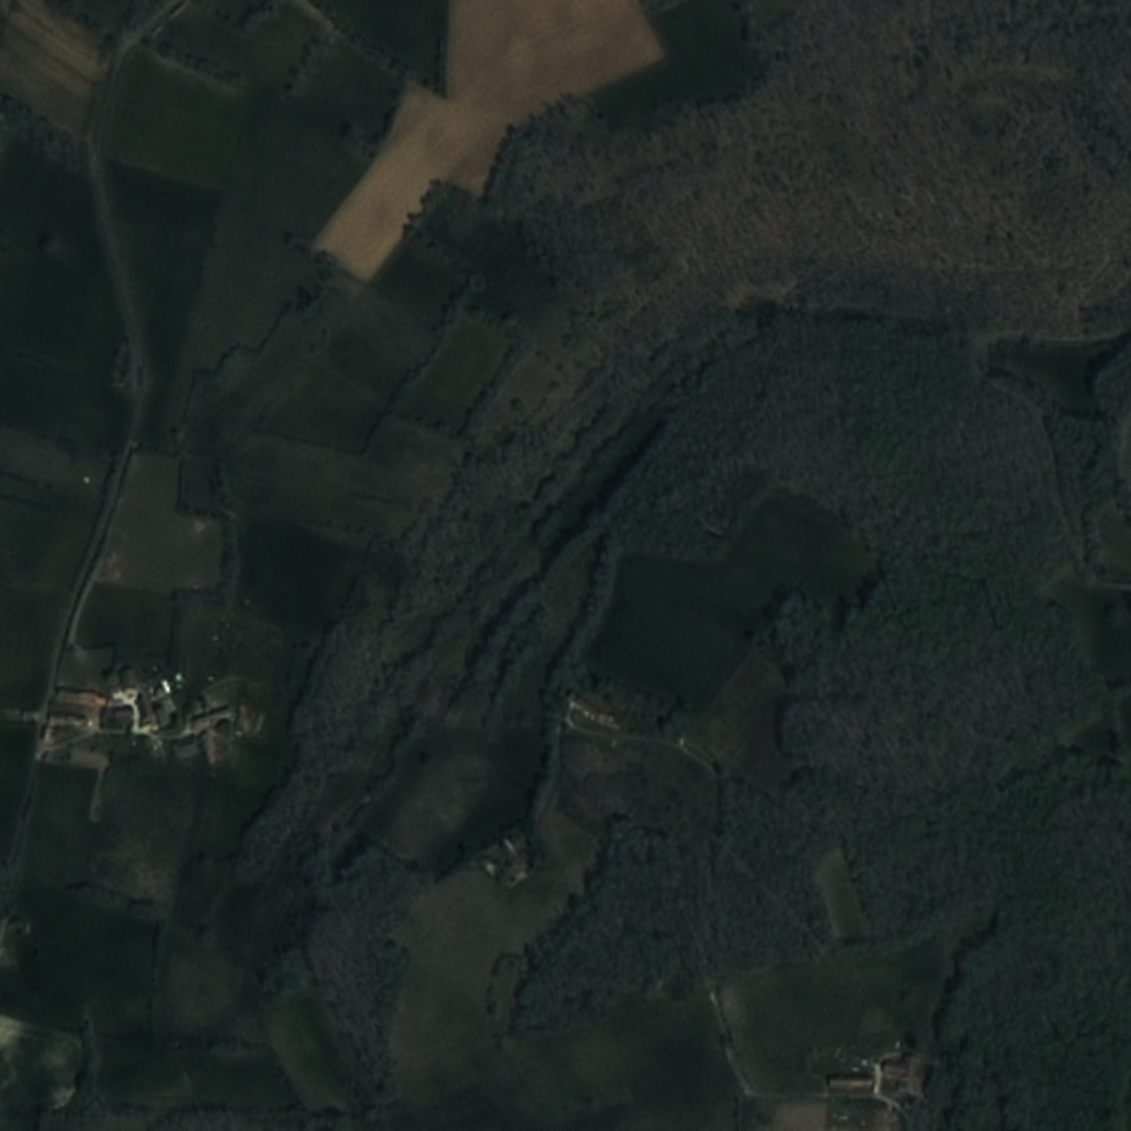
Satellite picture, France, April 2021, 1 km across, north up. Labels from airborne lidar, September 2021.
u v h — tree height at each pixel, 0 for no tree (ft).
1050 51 43
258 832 52
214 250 0
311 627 0
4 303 0
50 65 0
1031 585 61
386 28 0
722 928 68
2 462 0
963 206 39
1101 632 0
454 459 0
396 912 64
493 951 0
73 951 0
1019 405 52
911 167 39
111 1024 0
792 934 68
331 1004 42
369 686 46
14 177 0
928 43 37
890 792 64
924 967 0
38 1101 0
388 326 0
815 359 55
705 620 0
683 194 44
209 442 0
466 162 0
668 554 35
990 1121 71
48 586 0
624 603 0
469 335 0
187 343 0
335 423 0
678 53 0
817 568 0
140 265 0
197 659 0
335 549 0
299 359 0
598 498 0
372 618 0
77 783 0
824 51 49
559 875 0
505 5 0
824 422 59
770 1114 0
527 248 30
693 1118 0
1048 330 40
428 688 0
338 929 67
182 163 0
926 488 55
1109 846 64
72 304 0
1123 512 36
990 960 68
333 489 0
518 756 0
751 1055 0
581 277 47
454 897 0
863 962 43
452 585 68
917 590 62
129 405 0
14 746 0
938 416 58
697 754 0
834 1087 0
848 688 51
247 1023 0
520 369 37
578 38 0
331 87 0
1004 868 60
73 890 30
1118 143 39
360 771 0
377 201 0
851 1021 0
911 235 30
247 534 0
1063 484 54
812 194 36
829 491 49
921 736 60
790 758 50
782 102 28
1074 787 55
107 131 0
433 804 0
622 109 0
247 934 0
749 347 49
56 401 0
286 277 0
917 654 71
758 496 27
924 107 48
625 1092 0
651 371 50
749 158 39
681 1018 0
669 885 77
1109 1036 63
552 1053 0
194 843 0
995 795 69
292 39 0
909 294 52
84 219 0
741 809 72
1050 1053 72
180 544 0
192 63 47
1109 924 64
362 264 0
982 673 64
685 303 47
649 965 65
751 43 40
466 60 0
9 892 33
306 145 0
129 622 0
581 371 22
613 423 63
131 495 0
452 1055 0
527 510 37
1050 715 73
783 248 34
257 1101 0
